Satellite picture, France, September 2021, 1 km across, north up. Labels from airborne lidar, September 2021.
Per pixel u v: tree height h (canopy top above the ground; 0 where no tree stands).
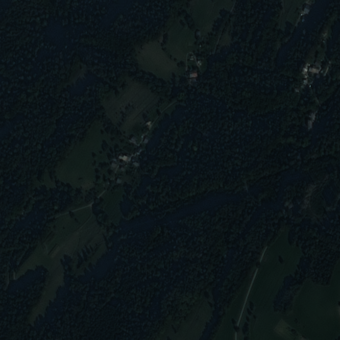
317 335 0
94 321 24
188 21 20
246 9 21
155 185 28
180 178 36
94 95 23
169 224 18
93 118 27
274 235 15
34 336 17
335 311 0
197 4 0
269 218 30
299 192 25
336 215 24
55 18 8
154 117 0
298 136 27
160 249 8
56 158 23
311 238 24
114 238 0
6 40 27
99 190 0
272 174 13
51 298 0
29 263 0
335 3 30
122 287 29
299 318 0
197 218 29
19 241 9
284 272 0
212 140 21
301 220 20
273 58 11
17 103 29
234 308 0
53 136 21
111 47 26
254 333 0
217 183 30
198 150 25
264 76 19
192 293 29
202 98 34
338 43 26
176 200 26
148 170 22
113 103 0
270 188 12
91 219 0
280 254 0
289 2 0
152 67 0
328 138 36
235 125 30
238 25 7
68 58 28
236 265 27
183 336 0
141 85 22
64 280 0
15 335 20
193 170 30
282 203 27
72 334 30
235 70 7
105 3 32
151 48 0
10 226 22
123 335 28
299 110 35
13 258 9
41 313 0
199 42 11
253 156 34
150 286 37
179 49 0
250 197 19
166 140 19
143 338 36
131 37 26
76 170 0
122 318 22
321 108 17
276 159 11
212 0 16
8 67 29
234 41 9
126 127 0
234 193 13
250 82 19
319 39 16
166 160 32
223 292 23
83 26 26
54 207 26
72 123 28
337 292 0
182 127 25
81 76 0
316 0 0
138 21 33
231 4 0
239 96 29
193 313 0
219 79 23
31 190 19
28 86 30
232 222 21
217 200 7
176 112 0
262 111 31
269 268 0
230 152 33
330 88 11
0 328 17
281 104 23
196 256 26
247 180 25
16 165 23
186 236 27
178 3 26
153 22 33
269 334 0
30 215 0
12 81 37
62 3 14
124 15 26
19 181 32
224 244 13
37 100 23
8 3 23
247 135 29
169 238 11
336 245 22
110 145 0
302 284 6
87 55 34
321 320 0
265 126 25
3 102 28
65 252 0
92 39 21
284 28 0
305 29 6
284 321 0
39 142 38
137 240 30
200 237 24
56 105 28
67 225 0
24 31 29
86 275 0
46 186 0
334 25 0
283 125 25
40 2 21
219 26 14
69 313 22
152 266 26
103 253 0
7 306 31
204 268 32
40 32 27
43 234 21
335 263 9
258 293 0
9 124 0
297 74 22
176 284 29
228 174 25
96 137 0
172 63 0
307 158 22
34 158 30
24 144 32
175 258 25
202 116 28
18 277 0
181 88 22
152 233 29
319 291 0
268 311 0
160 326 28
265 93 29
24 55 32
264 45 7
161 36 10
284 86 19
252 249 26
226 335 0
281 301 15
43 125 29
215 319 0
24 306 24
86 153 0
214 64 22
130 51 24
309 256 20
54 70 29
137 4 33
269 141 28
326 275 8
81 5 26
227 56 25
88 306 27
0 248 18
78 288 24
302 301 0
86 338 23
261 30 10
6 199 23
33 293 28
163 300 35
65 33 31
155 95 20
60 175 0
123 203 0
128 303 21
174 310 25
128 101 0
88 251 0
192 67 0
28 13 21
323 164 10
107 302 15
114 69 17
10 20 26
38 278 13
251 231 32
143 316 21
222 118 39
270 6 7
